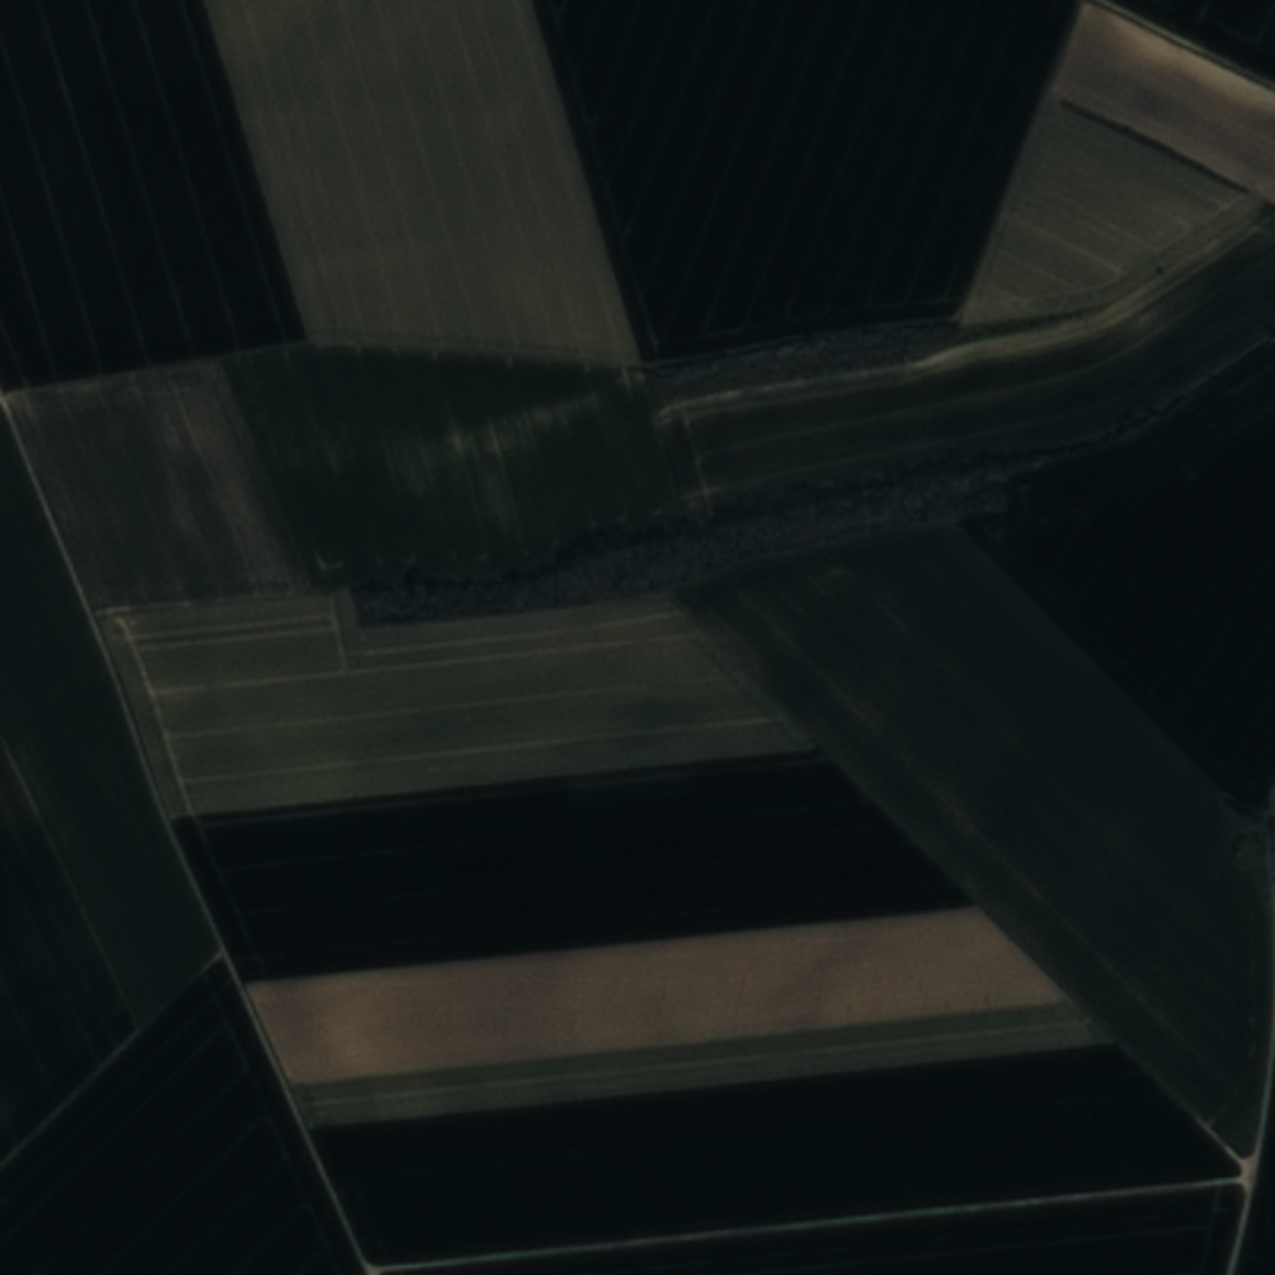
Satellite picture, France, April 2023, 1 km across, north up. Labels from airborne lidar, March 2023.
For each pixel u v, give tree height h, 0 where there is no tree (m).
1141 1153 0
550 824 0
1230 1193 0
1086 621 0
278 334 0
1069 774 0
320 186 0
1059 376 0
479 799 0
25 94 0
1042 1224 0
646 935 0
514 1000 0
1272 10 0
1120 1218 0
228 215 0
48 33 0
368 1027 0
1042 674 0
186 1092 0
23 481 0
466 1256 0
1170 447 0
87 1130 0
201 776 0
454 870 0
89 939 0
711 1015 0
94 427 0
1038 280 0
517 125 0
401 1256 0
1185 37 0
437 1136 0
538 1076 0
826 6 0
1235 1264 0
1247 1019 0
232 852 0
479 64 0
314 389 0
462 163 0
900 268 0
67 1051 0
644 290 0
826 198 0
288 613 0
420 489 0
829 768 0
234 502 0
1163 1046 0
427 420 0
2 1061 0
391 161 0
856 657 0
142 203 0
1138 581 0
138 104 0
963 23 0
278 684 0
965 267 0
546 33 0
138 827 0
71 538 0
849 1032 0
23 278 0
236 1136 0
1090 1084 0
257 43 0
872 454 0
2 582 0
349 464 0
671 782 0
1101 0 0
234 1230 0
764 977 0
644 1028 0
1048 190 0
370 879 0
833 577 0
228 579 0
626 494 0
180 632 0
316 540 0
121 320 0
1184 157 0
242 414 0
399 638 0
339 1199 0
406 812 0
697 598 0
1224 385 0
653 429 0
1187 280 0
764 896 0
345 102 0
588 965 0
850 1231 0
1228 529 0
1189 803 0
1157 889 0
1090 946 0
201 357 0
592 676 0
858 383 0
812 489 0
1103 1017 0
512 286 0
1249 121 0
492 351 0
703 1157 0
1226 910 0
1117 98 0
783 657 0
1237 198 0
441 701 0
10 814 0
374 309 0
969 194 0
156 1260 0
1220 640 0
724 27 0
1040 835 0
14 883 0
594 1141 0
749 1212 0
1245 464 0
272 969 0
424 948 0
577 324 0
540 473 0
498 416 0
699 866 0
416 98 0
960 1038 0
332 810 0
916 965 0
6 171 0
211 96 0
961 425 0
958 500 16
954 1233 0
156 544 0
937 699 0
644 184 0
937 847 0
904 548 0
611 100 0
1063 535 0
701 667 0
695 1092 0
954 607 0
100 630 0
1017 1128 0
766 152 0
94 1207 0
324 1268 0
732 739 0
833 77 0
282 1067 0
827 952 0
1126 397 0
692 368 6
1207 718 0
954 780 0
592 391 0
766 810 0
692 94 0
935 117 0
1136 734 0
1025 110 0
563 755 0
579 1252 0
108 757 0
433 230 0
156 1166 0
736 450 0
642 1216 0
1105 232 0
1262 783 0
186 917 0
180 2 0
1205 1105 0
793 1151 0
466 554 0
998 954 0
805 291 0
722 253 0
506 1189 0
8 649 0
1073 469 0
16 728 0
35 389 0
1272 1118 0
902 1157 0
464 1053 0
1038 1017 0
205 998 0
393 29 0
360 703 0
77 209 0
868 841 0
